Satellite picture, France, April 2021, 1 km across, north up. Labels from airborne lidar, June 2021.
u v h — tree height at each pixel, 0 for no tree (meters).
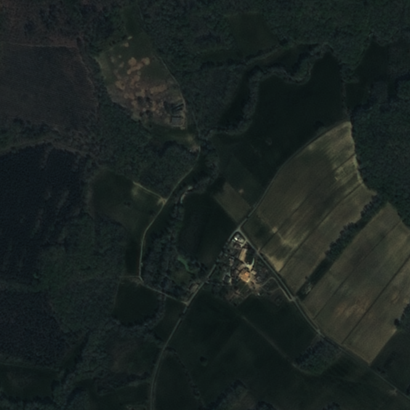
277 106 0
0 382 0
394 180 17
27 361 16
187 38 20
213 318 0
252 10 18
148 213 0
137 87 0
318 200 0
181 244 0
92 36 11
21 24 7
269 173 0
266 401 0
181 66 18
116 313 0
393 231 0
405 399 0
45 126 15
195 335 0
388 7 24
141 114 0
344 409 0
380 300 0
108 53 0
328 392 0
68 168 13
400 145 15
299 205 0
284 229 0
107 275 20
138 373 0
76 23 6
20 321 17
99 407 0
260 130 0
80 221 19
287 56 0
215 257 0
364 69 0
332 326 0
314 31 26
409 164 20
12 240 15
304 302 0
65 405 22
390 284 0
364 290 0
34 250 16
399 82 14
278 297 0
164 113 0
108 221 12
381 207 21
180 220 17
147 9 10
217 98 17
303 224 0
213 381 0
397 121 17
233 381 0
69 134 19
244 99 0
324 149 0
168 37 15
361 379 0
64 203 13
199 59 11
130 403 0
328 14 20
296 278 0
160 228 0
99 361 21
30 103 0
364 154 20
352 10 19
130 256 0
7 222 15
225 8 19
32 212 13
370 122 21
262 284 0
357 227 12
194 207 0
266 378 0
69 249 25
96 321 24
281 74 18
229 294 9
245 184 0
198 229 0
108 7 10
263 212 0
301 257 0
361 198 0
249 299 0
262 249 0
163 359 0
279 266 0
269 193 0
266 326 0
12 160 13
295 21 20
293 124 0
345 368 0
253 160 0
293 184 0
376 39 13
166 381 0
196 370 0
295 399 0
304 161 0
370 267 0
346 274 0
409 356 0
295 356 0
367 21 24
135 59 0
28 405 17
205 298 0
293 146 0
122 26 14
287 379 0
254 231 0
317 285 0
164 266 18
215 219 0
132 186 0
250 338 0
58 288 18
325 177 0
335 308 0
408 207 20
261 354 0
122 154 23
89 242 21
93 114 10
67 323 15
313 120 0
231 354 0
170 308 0
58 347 19
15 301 19
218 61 0
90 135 16
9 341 19
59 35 6
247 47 0
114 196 0
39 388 0
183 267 21
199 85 14
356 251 0
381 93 18
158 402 0
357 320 0
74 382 10
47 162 11
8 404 25
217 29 16
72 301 18
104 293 14
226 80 15
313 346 0
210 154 26
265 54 15
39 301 20
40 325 19
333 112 0
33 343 16
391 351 0
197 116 16
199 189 17
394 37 19
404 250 0
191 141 0
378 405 0
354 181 0
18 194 12
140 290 0
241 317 0
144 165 18
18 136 16
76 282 16
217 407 14
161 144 0
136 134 24
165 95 0
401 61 8
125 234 14
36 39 7
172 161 23
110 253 20
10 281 14
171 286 23
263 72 21
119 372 0
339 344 0
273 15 28
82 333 19
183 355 0
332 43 25
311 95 0
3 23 8
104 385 0
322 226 0
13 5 6
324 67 0
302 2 15
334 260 14
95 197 0
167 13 12
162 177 23
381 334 0
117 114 24
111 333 12
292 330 0
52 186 15
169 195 16
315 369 19
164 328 0
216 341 0
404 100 19
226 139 0
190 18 17
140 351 0
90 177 15
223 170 0
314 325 0
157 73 0
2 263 14
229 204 0
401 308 0
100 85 12
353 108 0
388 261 0
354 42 29
